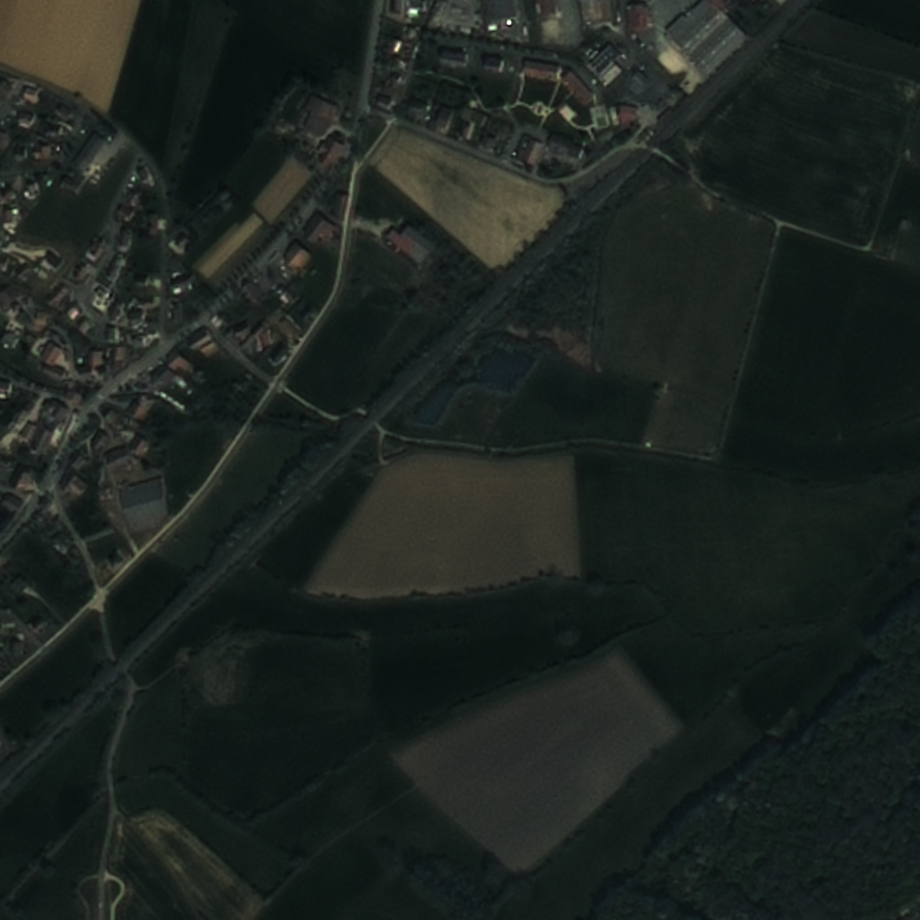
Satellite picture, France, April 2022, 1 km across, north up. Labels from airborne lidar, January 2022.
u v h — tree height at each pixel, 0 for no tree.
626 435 0
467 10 0
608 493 0
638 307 0
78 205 0
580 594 0
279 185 0
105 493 0
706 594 0
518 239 0
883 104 0
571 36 0
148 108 0
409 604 0
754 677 0
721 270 0
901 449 0
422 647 0
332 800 0
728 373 0
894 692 27
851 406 0
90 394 8
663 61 0
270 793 0
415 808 0
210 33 0
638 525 0
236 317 0
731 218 0
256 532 0
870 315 0
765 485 0
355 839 0
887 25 0
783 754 21
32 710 0
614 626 0
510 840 0
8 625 0
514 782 0
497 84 0
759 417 0
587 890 0
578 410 0
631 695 0
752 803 25
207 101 0
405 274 0
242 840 0
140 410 0
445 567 0
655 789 0
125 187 0
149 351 0
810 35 0
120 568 0
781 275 0
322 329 0
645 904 24
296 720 0
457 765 0
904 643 22
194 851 0
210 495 0
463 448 0
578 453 0
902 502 0
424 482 0
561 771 0
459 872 5
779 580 0
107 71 0
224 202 10
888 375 0
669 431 0
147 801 0
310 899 0
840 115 0
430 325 0
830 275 0
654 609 0
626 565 0
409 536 0
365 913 0
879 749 29
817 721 9
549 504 0
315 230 0
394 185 0
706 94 0
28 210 0
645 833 0
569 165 0
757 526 0
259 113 0
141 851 0
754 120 0
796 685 0
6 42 0
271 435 0
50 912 0
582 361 0
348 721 0
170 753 0
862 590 0
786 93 0
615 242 0
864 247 0
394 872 21
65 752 0
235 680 0
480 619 0
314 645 0
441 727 0
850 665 0
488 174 0
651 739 0
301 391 0
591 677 0
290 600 0
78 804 0
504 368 0
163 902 0
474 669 0
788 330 0
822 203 0
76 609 0
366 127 10
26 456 11
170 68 0
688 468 0
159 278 0
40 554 0
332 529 0
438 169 0
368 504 0
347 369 0
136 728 0
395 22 0
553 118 0
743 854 28
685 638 0
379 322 0
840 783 25
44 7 0
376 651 0
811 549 0
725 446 0
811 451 0
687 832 22
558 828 0
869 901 22
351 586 0
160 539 0
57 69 0
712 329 0
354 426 8
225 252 0
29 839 0
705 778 0
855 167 0
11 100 0
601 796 0
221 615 0
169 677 0
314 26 0
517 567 0
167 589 0
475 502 0
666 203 0
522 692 0
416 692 0
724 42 0
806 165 0
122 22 0
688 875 22
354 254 0
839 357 0
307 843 0
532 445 0
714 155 0
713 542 0
